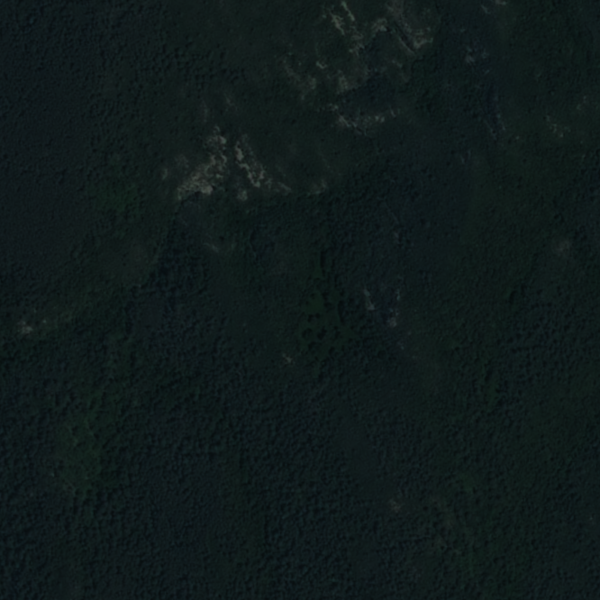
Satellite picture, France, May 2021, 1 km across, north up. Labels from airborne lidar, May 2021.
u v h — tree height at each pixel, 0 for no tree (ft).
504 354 24
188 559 70
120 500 57
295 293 23
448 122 24
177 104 25
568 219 43
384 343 28
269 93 50
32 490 60
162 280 63
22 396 49
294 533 72
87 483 74
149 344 28
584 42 67
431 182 19
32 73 73
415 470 44
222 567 18
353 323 52
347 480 23
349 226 44
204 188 0
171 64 55
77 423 66
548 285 21
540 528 47
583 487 28
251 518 43
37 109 75
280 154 23
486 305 52
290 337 37
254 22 20
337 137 25
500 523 45
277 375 21
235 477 35
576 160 39
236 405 60
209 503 65
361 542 19
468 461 65
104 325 52
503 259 29
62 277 28
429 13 20
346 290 42
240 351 20
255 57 25
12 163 64
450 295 21
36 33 63
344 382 42
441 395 28
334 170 19
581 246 52
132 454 71
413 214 18
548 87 26
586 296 35
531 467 45
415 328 18
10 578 64
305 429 48
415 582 44
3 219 71
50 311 18
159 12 55
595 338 44
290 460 46
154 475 71
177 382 49
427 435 25
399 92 25
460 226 20
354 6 21
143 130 44
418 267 21
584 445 36
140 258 26
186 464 69
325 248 56
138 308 65
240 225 50
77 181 77
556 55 37
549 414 35
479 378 43
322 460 31
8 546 54
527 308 32
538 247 69
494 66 19
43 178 73
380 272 20
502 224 36
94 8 23
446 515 42
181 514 72
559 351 52
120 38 63
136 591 65
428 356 20
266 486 45
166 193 36
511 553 49
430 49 22
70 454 63
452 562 43
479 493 58
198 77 49
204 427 77
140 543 81
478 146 18
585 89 19
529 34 37
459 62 29
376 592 20
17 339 36
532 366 59
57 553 32
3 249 63
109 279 43
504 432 35
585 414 40
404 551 59
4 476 62
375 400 19
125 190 42
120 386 43
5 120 69
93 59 58
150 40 69
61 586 30
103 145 25
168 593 69
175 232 39
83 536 60
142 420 80
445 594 35
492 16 21
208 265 30
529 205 40
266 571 55
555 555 31
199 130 29
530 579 27
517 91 28
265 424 60
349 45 24
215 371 71
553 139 18
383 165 41
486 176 22
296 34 27
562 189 55
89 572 37
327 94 44
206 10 20
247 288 31
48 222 68
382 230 50
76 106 60
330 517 55
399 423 50
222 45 46
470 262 29
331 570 58
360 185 64
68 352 27
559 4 74
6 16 72
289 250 27
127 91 18
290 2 23
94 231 69
